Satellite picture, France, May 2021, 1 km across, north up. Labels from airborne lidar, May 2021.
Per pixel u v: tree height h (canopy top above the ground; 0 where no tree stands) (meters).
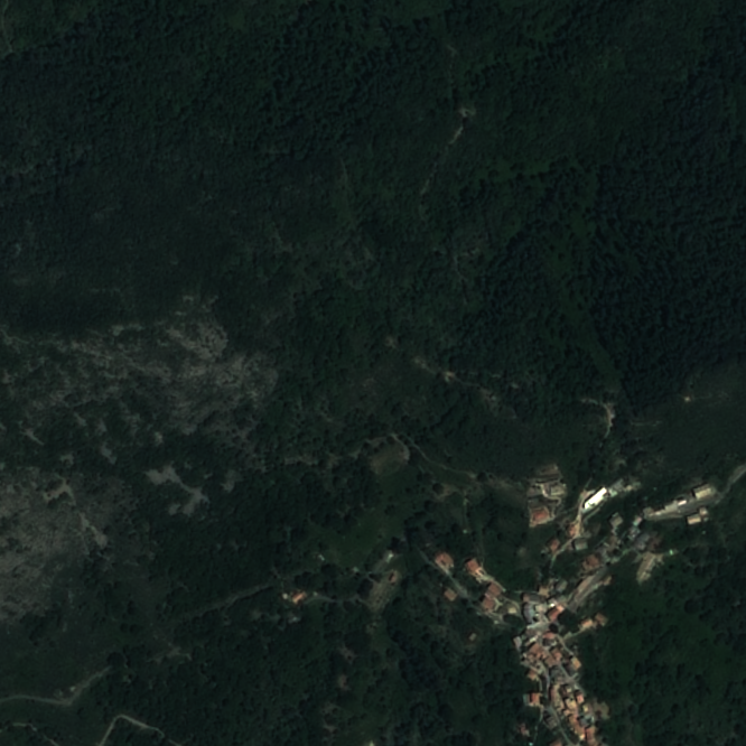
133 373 12
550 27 15
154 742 10
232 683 18
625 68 6
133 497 6
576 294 15
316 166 16
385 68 15
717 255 15
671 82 23
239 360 0
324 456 14
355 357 12
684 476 11
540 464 0
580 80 8
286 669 11
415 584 17
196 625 15
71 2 12
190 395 5
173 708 12
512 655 13
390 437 10
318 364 14
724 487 9
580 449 9
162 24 15
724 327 10
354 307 17
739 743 15
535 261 17
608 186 19
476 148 10
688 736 14
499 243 17
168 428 9
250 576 13
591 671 7
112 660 16
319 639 20
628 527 9
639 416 14
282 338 9
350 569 12
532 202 21
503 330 18
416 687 23
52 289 6
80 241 14
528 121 8
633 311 20
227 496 14
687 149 17
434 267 9
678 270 28
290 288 9
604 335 28
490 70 19
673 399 13
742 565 13
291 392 12
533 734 6
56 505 14
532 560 0
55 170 19
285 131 19
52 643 6
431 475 7
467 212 22
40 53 28
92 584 13
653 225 19
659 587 6
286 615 13
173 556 14
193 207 10
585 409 9
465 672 15
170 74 15
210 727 17
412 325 7
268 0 16
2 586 0
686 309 18
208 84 21
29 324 14
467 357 16
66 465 7
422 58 20
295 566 16
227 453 17
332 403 13
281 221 14
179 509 8
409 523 16
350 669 13
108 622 15
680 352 13
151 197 9
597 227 7
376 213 19
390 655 11
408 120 10
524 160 15
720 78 23
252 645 17
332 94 19
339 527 21
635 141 20
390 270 14
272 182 17
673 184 8
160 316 7
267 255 11
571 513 7
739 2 22
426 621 6
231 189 17
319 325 13
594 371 13
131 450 11
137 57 16
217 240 15
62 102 21
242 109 16
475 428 10
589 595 0
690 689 16
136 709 11
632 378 16
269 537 13
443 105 19
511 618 17
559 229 21
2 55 13
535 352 21
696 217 17
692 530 9
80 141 9
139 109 14
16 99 20
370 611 13
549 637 0
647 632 9
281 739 16
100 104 20
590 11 13
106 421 8
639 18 6
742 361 12
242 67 15
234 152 15
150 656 13
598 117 19
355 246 10
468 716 0
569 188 19
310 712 20
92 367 8
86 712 15
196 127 15
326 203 12
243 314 8
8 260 8
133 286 11
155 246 7
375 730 0
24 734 7
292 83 17
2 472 7
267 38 19
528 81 16
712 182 12
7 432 6
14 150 23
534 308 17
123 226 14
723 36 19
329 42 25
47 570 0
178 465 13
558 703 0
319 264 9
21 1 7
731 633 9
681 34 19
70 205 19
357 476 16
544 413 10
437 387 9
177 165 14
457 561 7
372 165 14
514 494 0
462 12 20
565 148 15
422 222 9
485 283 25
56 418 9
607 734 9
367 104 24
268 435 13
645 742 8
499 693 14
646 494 11
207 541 13
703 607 9
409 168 10
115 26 23
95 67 17
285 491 14
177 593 15
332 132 10
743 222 20
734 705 13
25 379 7
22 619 10
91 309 16
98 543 7
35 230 8
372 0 18
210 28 15
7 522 11
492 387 9
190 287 10
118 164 16
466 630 8
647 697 14
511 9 6
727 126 29
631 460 9
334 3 15
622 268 24
